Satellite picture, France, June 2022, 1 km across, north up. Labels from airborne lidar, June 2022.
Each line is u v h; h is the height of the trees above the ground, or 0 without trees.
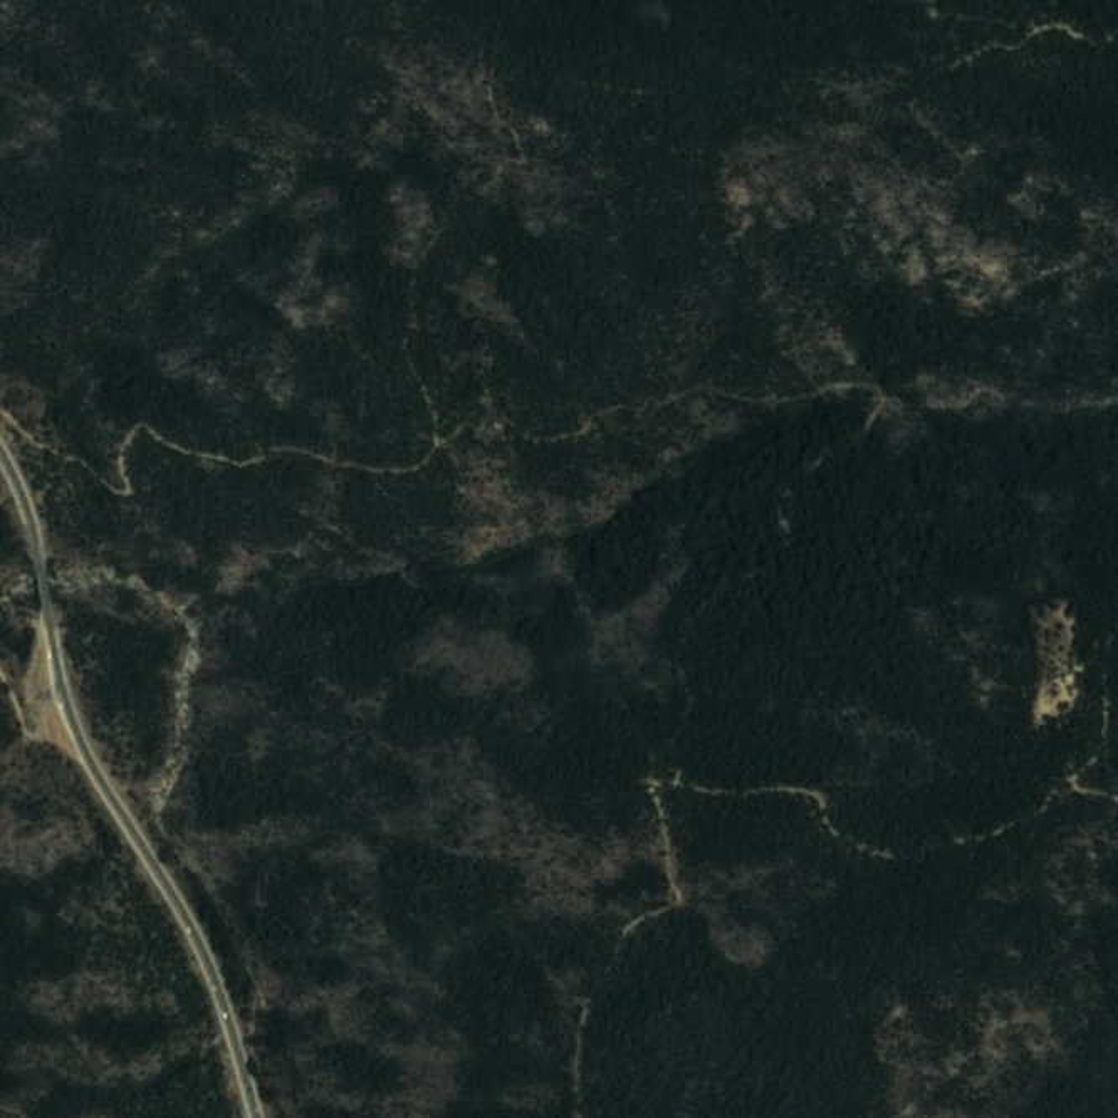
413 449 7
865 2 7
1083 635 11
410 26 7
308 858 7
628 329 6
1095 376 7
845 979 9
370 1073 8
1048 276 7
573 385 8
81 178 6
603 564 14
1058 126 10
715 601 7
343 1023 0
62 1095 8
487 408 12
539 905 0
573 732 7
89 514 9
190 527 8
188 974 8
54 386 8
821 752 7
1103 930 6
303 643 7
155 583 12
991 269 0
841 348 0
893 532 8
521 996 9
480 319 7
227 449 10
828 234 6
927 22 8
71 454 9
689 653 8
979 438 6
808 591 7
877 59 6
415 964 6
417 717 8
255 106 8
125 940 8
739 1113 8
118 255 7
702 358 7
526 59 9
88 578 0
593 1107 7
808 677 12
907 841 8
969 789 8
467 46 6
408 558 6
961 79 6
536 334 7
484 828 0
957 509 6
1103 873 6
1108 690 7
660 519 10
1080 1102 10
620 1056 7
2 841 0
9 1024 7
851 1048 8
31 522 0
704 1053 9
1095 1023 9
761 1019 8
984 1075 7
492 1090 6
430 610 12
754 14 8
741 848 5
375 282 8
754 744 10
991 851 6
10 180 7
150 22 7
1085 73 7
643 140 7
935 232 0
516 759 7
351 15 6
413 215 0
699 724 8
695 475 7
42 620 0
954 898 10
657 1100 7
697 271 7
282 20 12
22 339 6
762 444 7
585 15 7
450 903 10
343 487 9
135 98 8
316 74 7
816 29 12
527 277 11
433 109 0
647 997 7
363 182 11
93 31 7
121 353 10
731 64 7
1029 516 8
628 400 7
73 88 9
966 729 12
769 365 8
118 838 7
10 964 10
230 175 6
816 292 9
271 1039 8
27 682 0
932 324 10
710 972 7
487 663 0
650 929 8
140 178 7
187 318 10
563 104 7
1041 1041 7
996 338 5
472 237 9
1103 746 8
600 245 7
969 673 7
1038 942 7
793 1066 10
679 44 7
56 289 8
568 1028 7
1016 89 8
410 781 8
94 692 8
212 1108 10
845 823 9
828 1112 8
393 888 9
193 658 0
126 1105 7
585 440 9
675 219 6
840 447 17
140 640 6
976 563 7
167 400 8
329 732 7
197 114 7
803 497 11
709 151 7
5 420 0
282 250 6
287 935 8
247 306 7
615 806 5
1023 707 6
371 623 11
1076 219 7
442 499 7
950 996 10
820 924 9
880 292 12
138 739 8
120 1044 8
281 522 8
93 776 0
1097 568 7
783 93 8
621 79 8
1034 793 12
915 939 9
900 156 10
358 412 11
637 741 9
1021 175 6
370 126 5
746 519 7
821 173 0
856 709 8
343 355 7
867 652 11
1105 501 9
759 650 12
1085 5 9
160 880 0
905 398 5
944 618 8
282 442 8
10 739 8
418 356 5
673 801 7
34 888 7
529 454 11
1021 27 9
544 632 12
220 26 6
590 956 8
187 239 8
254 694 8
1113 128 9
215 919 11
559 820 6
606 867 0
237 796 9
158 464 6
